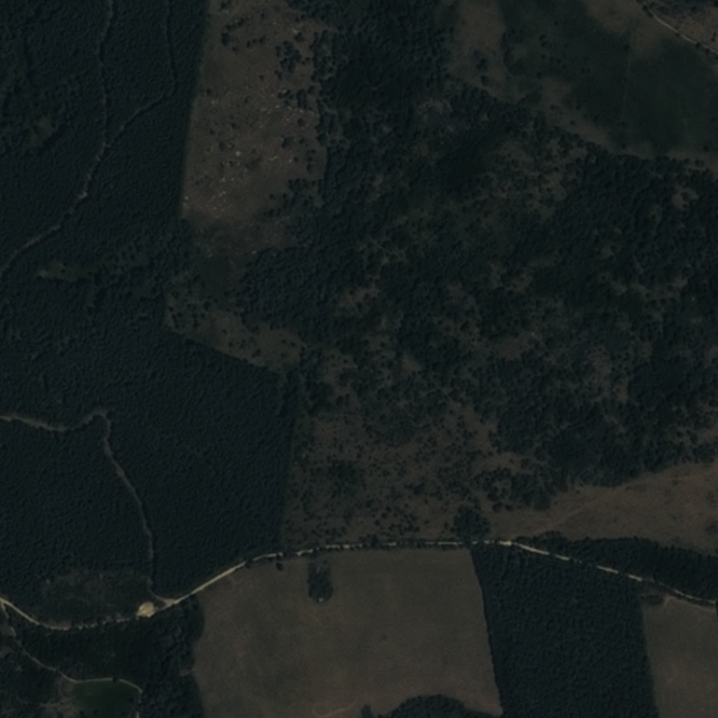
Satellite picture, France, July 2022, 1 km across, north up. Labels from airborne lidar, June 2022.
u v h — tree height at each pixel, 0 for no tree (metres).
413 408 8
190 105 18
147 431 19
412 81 11
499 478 7
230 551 22
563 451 10
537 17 0
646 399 15
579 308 7
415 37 11
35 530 19
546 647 18
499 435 7
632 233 13
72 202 22
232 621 0
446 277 11
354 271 10
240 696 0
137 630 9
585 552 13
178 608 8
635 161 14
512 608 16
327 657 0
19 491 20
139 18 22
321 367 7
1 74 24
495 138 7
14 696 6
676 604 0
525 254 14
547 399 10
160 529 18
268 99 0
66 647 10
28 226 19
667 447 10
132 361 23
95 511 18
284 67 8
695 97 0
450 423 0
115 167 18
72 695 0
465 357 7
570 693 18
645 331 9
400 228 10
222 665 0
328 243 13
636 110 0
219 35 0
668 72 0
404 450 0
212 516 20
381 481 0
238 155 0
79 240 20
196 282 8
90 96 25
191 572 19
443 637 0
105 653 8
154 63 23
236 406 17
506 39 9
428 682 0
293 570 0
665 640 0
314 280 10
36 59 27
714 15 0
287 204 9
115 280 28
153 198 26
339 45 11
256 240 0
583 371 8
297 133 0
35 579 19
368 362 7
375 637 0
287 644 0
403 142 8
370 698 0
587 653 18
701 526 0
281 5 0
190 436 19
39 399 18
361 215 19
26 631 11
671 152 0
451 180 8
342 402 8
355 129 10
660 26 0
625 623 19
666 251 16
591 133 0
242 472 17
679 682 0
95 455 19
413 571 0
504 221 7
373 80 17
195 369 26
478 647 0
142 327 15
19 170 20
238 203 0
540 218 10
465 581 0
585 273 6
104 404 20
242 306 13
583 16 0
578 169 6
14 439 19
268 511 17
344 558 0
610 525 0
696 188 10
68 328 19
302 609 0
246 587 0
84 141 20
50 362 21
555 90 0
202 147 0
